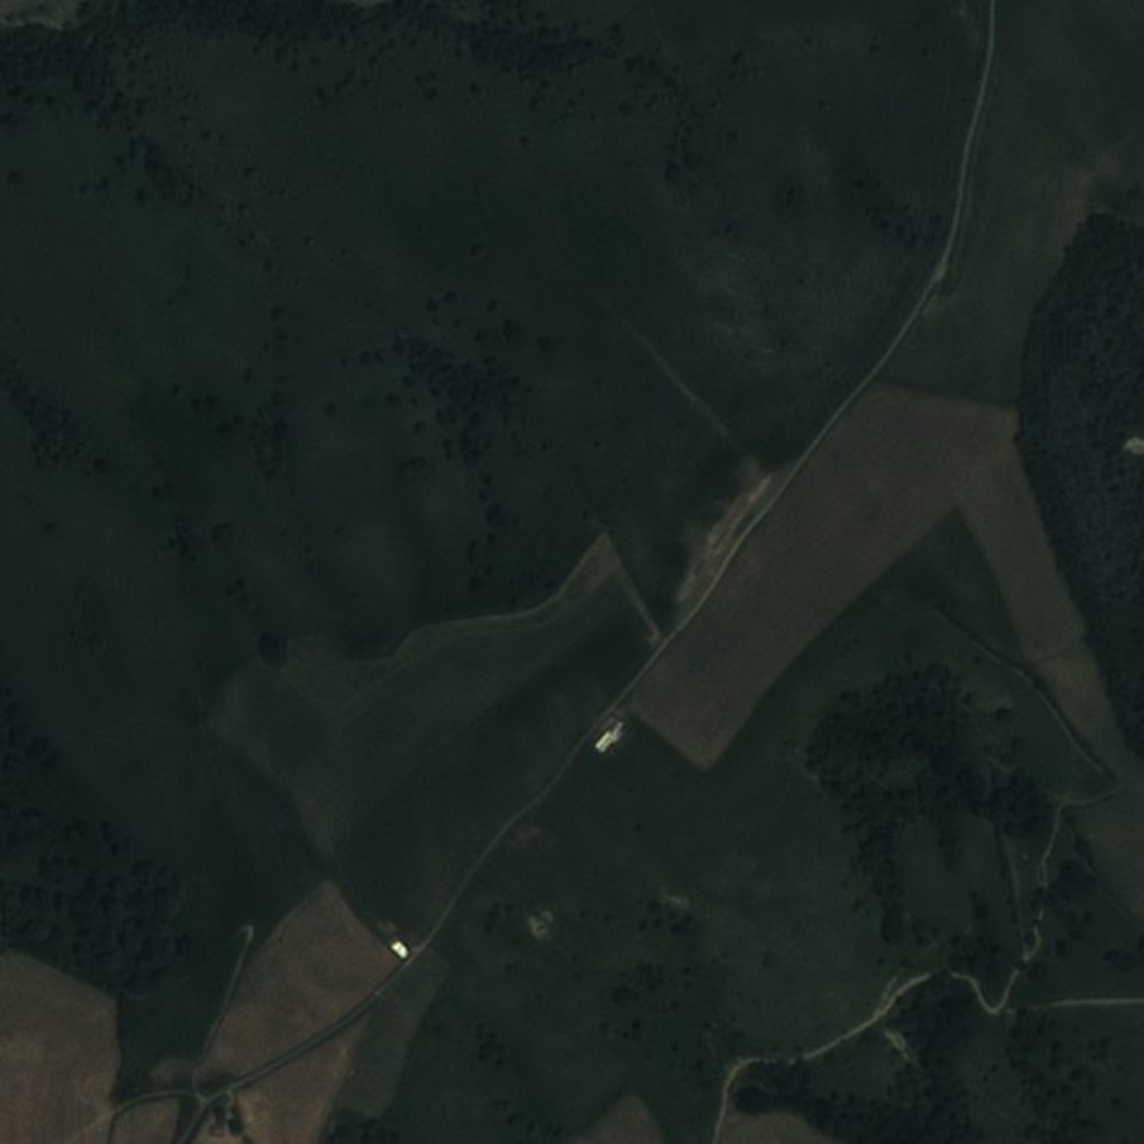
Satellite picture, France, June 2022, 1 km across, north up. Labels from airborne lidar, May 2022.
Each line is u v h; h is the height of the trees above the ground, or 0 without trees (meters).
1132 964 15
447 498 0
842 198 0
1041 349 11
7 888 12
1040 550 0
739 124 0
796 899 0
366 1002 0
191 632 0
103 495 0
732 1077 0
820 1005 0
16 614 0
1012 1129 0
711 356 0
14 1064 0
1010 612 0
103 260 0
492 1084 0
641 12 0
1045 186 0
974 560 0
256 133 0
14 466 0
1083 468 15
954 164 0
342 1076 0
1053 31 0
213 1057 0
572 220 0
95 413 0
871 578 0
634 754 0
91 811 0
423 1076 0
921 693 8
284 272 0
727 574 0
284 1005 0
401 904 0
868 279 0
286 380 6
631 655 0
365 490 0
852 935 0
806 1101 17
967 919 0
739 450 0
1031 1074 12
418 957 0
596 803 0
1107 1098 0
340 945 0
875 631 0
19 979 0
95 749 0
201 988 0
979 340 0
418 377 9
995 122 0
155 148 15
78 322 0
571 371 0
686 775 0
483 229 0
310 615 0
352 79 7
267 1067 0
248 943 0
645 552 0
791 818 0
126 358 0
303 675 0
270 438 8
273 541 0
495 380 12
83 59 14
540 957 0
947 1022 18
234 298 0
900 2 0
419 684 0
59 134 0
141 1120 0
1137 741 11
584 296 0
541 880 0
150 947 15
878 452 0
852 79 0
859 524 0
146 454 0
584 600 0
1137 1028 0
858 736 8
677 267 0
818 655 0
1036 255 0
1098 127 0
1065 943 10
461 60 8
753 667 0
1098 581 16
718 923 0
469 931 0
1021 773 6
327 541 0
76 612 0
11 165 0
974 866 0
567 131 0
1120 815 0
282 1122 0
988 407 0
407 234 0
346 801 0
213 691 0
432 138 0
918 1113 15
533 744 0
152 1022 0
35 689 0
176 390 8
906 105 0
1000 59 0
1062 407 15
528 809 0
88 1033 0
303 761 0
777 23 0
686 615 0
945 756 18
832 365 0
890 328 0
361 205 0
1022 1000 0
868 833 12
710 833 0
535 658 0
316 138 0
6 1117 0
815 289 0
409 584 0
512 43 19
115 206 0
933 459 0
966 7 0
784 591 0
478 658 0
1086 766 0
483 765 0
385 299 0
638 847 0
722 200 0
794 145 0
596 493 0
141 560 0
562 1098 0
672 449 0
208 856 0
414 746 0
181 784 0
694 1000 0
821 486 0
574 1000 0
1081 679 0
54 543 0
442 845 0
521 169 0
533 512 0
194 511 0
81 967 9
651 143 0
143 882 12
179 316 0
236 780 0
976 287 0
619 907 0
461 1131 0
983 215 0
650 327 0
